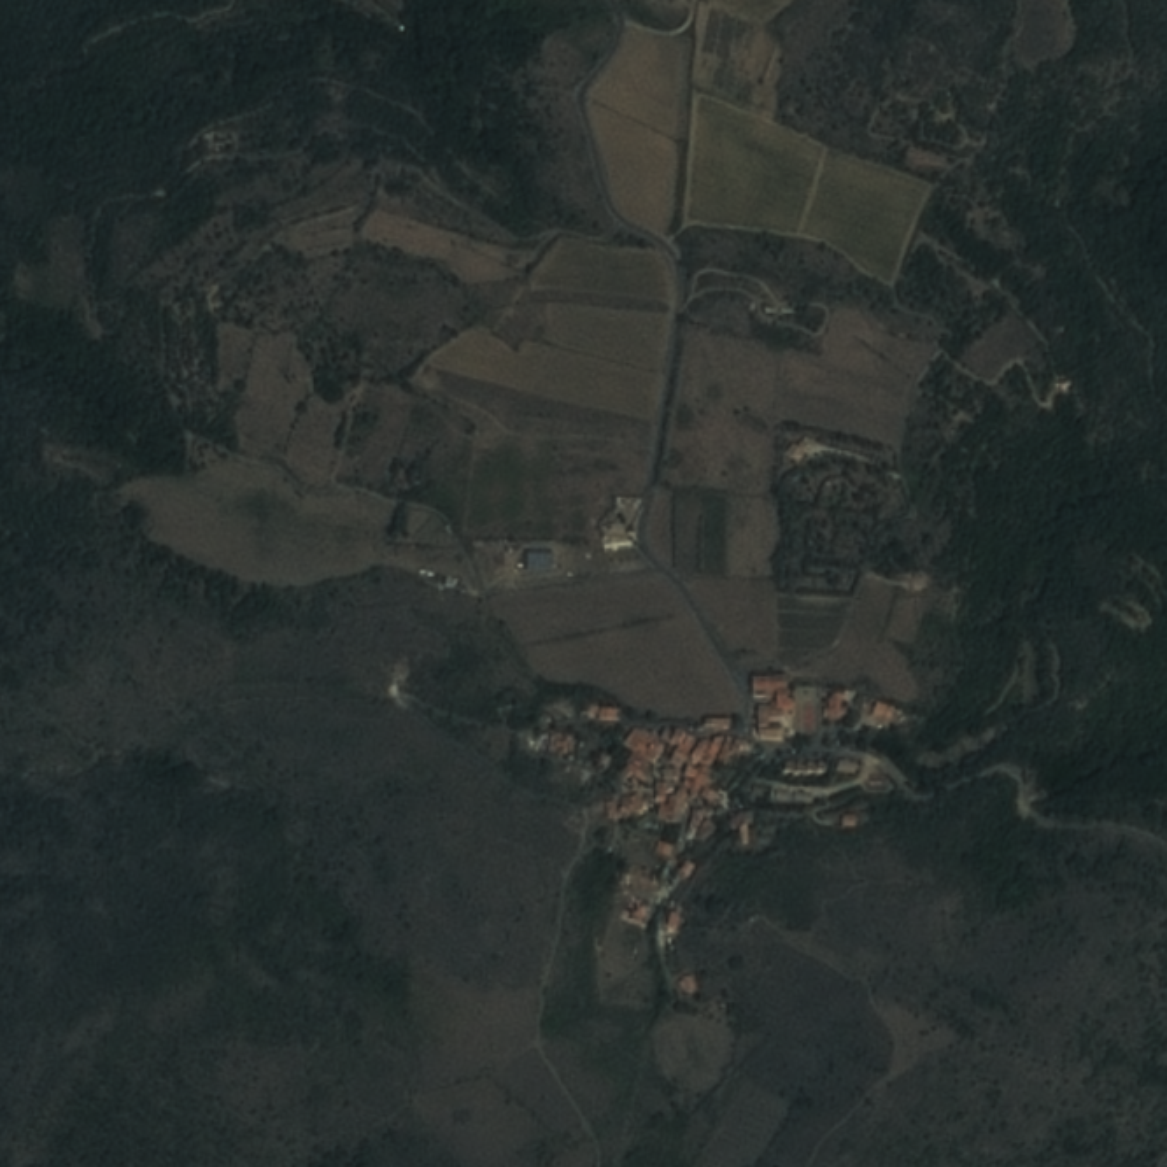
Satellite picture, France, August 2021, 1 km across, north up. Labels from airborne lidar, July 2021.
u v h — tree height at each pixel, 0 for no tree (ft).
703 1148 17
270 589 20
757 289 0
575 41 0
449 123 25
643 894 0
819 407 0
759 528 0
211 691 0
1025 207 35
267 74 21
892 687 0
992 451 32
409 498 21
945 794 27
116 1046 0
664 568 0
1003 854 24
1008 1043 0
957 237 30
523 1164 0
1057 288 27
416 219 0
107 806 20
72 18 18
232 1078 0
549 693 21
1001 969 0
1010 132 30
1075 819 42
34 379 28
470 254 0
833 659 0
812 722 0
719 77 0
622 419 0
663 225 0
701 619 0
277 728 0
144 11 25
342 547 0
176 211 30
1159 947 22
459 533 0
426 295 0
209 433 28
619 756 30
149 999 0
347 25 44
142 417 27
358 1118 0
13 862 0
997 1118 0
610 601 0
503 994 0
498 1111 0
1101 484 50
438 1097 0
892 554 21
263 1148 0
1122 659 18
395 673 0
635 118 0
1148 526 36
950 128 21
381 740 0
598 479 0
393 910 0
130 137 23
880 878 0
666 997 35
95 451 25
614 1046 0
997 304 21
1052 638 20
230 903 0
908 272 21
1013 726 27
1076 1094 0
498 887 0
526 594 0
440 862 0
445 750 0
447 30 33
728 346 0
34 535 23
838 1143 0
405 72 17
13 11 34
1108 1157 19
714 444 0
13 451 21
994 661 19
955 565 20
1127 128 23
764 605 0
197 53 30
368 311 0
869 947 0
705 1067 0
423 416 0
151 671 0
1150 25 20
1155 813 32
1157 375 26
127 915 0
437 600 0
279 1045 0
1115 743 21
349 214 0
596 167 0
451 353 0
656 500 0
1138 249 30
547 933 0
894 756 29
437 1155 0
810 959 0
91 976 0
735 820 0
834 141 0
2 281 20
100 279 19
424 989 0
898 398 0
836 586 31
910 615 0
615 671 0
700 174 0
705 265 0
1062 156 27
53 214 20
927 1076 0
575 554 0
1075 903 0
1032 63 0
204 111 24
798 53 0
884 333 0
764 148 0
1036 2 0
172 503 0
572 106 0
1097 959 0
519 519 0
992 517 22
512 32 26
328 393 24
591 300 0
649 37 0
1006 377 20
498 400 0
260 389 0
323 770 0
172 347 23
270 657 0
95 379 26
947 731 29
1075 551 28
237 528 0
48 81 20
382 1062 0
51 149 46
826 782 19
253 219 22
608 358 0
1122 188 28
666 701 0
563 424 0
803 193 0
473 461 0
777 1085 0
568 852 0
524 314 0
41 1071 0
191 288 20
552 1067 0
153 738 0
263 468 0
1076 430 30
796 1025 0
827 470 23
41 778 0
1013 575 37
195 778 23
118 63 19
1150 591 27
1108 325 23
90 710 0
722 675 0
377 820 0
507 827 0
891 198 0
